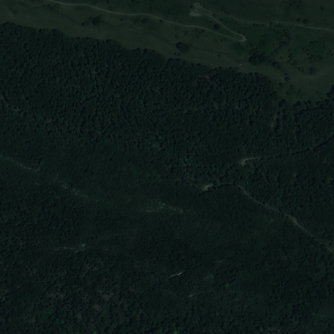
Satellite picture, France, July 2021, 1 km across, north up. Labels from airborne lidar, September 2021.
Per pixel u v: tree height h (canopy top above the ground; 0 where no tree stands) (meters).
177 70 29
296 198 27
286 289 25
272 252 20
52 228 15
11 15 0
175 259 16
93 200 6
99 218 16
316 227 6
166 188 27
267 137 17
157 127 31
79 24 0
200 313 29
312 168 26
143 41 0
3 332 29
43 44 13
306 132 29
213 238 9
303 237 16
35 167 9
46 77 23
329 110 27
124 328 32
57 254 21
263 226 8
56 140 33
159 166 29
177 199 24
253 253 9
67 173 20
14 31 23
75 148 31
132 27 0
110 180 25
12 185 15
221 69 23
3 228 28
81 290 6
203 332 22
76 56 30
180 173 31
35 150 29
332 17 0
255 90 24
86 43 30
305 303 20
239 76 30
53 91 30
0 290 31
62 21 0
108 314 7
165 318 9
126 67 31
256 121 30
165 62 27
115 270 21
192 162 28
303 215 17
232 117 32
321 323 14
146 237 16
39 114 32
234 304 16
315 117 31
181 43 18
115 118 31
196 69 29
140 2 9
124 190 15
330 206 28
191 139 31
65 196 9
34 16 0
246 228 9
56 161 29
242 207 20
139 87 20
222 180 27
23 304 18
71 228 25
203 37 0
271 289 12
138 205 7
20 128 32
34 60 29
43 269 12
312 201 30
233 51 0
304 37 0
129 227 9
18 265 20
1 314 25
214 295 9
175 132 29
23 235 22
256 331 9
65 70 26
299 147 15
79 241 7
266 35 7
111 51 27
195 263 17
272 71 0
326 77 0
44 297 23
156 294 12
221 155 30
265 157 10
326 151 27
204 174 30
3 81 33
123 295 26
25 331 10
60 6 0
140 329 22
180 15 0
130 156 31
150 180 29
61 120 28
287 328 11
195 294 12
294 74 0
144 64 29
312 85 0
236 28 0
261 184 35
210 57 0
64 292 30
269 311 10
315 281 7
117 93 30
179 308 9
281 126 27
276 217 9
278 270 19
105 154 33
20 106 28
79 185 11
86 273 6
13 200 9
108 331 30
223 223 8
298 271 25
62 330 10
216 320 10
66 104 32
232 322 21
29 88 26
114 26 0
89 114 26
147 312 30
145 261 16
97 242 10
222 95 27
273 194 30
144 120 30
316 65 0
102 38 0
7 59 27
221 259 42
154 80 26
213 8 0
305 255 12
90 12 0
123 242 9
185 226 13
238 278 11
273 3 0
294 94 0
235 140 31
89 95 27
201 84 29
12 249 29
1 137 29
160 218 16
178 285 12
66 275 19
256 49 9
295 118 13
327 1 0
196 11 0
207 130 34
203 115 27
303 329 9
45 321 34
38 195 19
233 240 9
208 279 7
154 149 29
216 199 29
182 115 27
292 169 21
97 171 29
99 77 28
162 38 0
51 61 28
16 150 24
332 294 22
